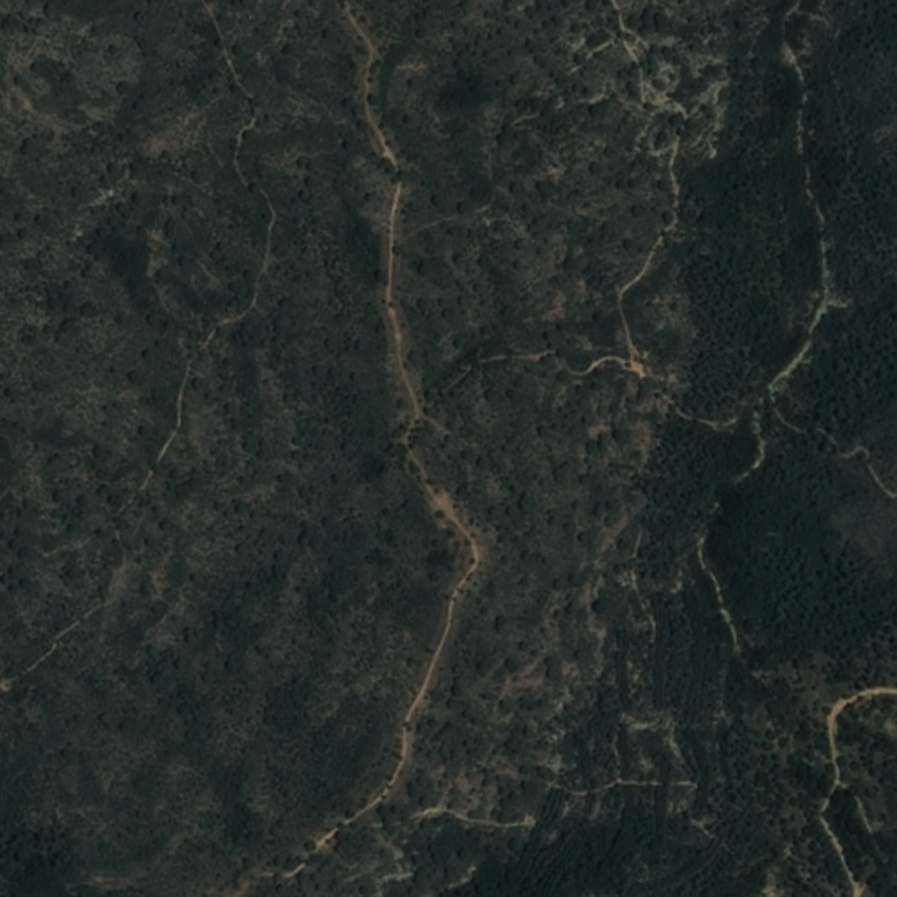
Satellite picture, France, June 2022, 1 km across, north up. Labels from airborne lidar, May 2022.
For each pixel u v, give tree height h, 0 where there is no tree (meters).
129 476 0
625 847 12
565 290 0
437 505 0
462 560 0
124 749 0
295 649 6
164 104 0
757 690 7
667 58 7
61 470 0
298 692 6
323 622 7
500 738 0
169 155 8
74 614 8
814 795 9
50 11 11
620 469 7
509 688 0
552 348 9
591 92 9
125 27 0
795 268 15
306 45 0
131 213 10
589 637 0
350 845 10
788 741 15
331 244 8
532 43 11
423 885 12
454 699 11
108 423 7
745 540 7
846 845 8
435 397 11
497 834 7
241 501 6
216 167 0
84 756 6
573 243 0
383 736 0
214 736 6
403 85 0
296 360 5
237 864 6
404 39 6
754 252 9
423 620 0
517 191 11
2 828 18
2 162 0
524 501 11
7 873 8
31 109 0
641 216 11
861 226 8
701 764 10
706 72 8
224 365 5
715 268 17
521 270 9
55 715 0
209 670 8
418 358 9
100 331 0
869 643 17
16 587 10
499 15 10
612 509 10
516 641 0
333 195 0
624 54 0
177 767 0
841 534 9
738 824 14
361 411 6
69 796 6
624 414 0
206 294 0
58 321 0
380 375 0
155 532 0
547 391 0
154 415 0
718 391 15
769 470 12
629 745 8
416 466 6
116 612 0
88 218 0
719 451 8
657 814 9
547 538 0
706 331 15
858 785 7
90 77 0
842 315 7
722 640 7
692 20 9
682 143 0
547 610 0
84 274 9
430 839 8
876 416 8
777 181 7
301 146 0
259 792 0
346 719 0
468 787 0
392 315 0
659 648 11
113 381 0
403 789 0
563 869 16
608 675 9
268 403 0
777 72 6
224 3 0
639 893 7
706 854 9
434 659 0
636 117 0
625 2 0
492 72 0
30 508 8
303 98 0
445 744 9
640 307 0
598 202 0
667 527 14
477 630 0
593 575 0
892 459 6
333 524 9
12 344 0
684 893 16
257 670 0
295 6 0
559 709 0
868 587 8
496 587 6
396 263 0
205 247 0
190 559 0
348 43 0
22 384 0
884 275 6
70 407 0
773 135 8
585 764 9
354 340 8
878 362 15
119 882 0
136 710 7
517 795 11
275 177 0
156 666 7
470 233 11
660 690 9
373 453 6
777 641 9
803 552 15
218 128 0
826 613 7
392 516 10
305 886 8
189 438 0
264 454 10
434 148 0
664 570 7
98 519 0
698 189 8
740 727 10
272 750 6
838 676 10
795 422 14
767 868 8
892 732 0
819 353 6
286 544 8
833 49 8
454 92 5
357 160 0
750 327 11
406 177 10
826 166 9
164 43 0
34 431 0
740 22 10
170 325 11
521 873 13
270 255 0
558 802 7
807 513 6
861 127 7
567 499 0
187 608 0
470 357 7
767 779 9
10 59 0
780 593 16
